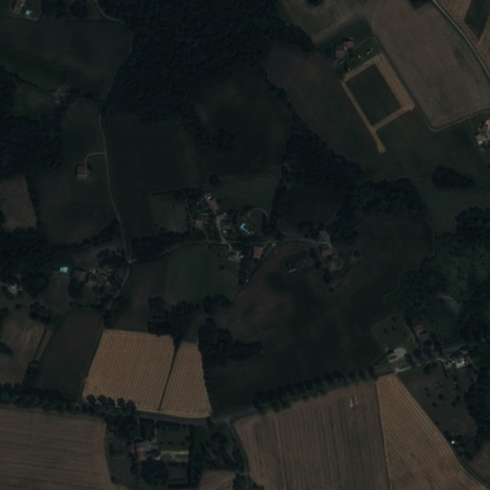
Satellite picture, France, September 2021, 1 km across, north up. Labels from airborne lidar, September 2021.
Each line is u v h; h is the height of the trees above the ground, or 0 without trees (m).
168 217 0
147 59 25
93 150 0
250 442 0
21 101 0
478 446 11
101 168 0
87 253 0
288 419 0
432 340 11
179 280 0
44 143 13
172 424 8
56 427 0
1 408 0
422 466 0
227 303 14
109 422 20
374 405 0
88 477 0
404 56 0
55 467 0
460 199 0
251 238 11
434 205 0
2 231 11
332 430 0
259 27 8
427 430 0
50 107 0
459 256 7
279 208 21
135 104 19
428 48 0
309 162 28
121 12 18
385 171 0
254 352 20
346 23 0
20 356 0
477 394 16
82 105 0
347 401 0
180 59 17
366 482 0
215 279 0
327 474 0
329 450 0
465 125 0
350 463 0
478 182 0
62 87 0
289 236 0
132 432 16
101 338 0
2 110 25
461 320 12
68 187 0
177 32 9
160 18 19
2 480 0
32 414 0
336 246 10
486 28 0
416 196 12
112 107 14
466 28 0
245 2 20
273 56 0
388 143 0
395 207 23
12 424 0
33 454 0
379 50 0
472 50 0
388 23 0
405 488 0
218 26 23
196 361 0
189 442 6
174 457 0
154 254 15
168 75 23
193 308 7
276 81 0
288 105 11
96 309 11
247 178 0
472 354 20
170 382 0
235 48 20
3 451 0
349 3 0
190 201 9
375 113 0
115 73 0
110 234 14
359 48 0
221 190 0
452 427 0
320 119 0
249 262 13
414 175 0
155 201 0
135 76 18
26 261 24
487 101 0
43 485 0
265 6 19
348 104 0
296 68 0
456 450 8
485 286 14
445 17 0
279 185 8
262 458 0
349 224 22
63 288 0
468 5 0
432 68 0
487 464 0
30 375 12
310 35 0
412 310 6
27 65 0
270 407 25
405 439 0
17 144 12
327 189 19
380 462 0
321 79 0
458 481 0
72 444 0
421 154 0
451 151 0
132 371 0
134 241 12
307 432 0
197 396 0
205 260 0
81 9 23
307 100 0
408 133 0
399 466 0
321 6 0
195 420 0
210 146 16
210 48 24
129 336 0
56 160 21
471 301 10
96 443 0
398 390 0
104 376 0
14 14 0
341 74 0
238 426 0
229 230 7
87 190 0
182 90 22
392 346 0
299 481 0
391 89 0
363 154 0
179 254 0
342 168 26
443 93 0
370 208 21
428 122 0
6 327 0
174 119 17
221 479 0
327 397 0
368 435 0
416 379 0
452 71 0
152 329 14
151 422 11
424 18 0
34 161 20
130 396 0
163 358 0
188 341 0
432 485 0
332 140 0
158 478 32
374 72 0
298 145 23
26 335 0
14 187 0
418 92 0
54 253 18
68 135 0
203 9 19
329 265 0
